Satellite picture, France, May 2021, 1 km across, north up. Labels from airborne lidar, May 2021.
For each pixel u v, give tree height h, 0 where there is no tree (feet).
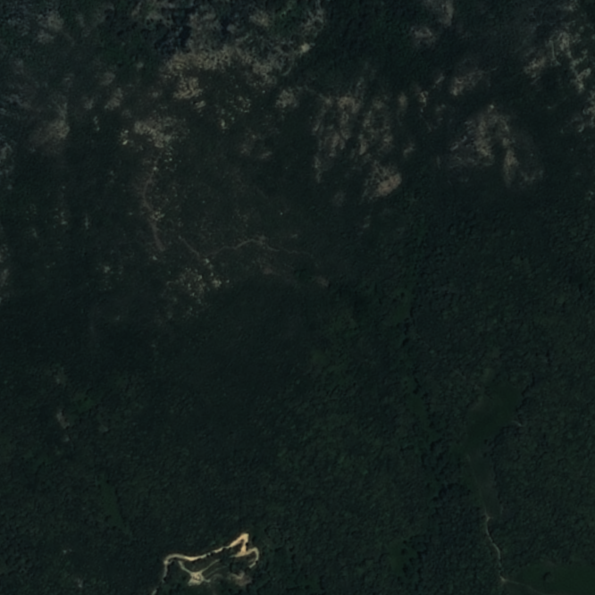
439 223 25
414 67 35
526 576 0
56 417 29
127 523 28
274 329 23
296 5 20
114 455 30
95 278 24
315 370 34
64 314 25
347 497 33
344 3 29
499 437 25
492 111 0
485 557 29
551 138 22
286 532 42
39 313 31
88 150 20
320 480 50
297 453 52
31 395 27
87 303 28
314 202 19
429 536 72
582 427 31
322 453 60
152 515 39
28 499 36
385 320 52
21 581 31
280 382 26
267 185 19
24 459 38
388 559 59
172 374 25
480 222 40
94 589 35
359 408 51
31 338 39
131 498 33
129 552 44
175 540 29
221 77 18
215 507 33
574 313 49
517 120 21
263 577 62
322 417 37
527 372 44
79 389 35
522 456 33
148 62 22
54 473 27
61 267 25
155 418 27
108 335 25
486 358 39
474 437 0
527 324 42
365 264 18
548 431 40
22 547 23
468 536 40
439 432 35
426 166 30
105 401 30
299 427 55
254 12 21
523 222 32
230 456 39
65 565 24
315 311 21
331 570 32
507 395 0
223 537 45
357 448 29
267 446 21
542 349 35
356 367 19
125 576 17
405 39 26
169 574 27
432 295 23
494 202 25
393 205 43
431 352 39
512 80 20
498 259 48
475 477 0
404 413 60
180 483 40
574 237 44
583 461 56
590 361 37
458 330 35
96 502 33
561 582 0
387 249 34
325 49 26
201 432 39
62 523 27
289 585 48
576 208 40
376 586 46
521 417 30
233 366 21
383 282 35
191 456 38
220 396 21
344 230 24
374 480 64
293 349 21
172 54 22
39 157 18
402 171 23
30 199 20
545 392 36
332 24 24
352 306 26
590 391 48
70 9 20
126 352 32
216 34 32
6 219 28
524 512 37
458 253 30
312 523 46
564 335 32
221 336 21
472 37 18
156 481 44
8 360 34
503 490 21
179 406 43
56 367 25
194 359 24
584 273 71
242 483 37
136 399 32
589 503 42
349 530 48
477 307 30
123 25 21
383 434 45
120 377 27
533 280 48
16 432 22
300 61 22
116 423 40
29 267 27
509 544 32
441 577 33
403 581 57
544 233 38
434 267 22
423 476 62
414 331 43
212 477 46
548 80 22
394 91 20
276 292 18
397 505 48
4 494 28
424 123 20
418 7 26
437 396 42
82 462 55
